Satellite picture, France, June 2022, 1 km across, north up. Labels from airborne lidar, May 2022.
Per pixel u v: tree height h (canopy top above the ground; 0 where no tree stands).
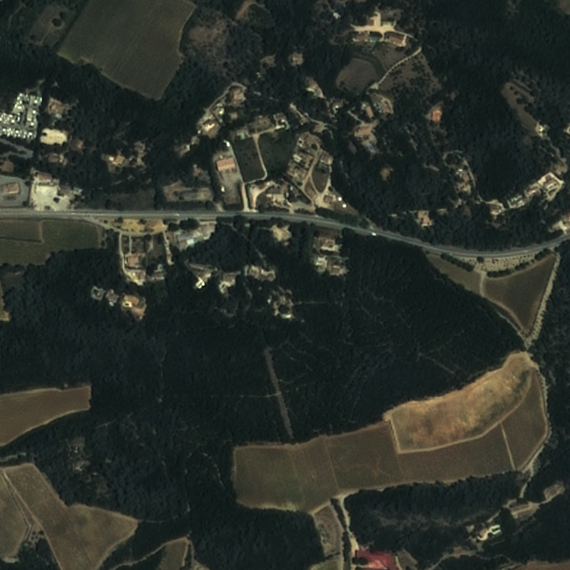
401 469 0
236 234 10
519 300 0
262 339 8
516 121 18
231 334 13
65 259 19
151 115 15
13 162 8
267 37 12
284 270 10
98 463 10
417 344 10
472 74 10
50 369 6
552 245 0
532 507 0
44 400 0
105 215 0
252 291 6
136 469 10
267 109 12
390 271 11
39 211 0
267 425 11
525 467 0
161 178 20
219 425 14
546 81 16
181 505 20
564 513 10
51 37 0
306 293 9
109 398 15
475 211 13
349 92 5
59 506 0
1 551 0
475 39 17
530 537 10
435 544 15
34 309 18
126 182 8
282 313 10
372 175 11
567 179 11
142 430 18
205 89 16
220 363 11
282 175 12
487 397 0
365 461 0
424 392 8
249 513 16
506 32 7
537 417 0
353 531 10
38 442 6
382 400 12
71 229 0
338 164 7
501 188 8
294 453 0
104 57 0
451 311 15
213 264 10
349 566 0
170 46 0
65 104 13
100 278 10
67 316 21
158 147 13
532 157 18
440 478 0
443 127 10
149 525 10
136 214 0
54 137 0
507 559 16
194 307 16
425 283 13
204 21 14
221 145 15
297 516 22
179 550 0
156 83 0
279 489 0
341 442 0
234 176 0
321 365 13
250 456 0
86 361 9
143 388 16
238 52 18
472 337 10
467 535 7
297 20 14
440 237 21
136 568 9
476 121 9
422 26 14
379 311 10
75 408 0
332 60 15
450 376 7
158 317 9
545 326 9
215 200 10
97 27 0
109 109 18
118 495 20
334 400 10
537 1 8
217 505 17
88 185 12
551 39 9
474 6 7
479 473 0
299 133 22
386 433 0
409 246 13
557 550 11
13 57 19
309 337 8
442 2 7
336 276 12
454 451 0
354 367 7
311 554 8
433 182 21
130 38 0
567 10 0
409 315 11
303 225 8
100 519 0
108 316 16
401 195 9
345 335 14
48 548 7
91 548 0
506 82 10
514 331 13
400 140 12
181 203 12
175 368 10
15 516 0
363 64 0
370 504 10
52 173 23
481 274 0
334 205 0
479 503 8
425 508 12
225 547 8
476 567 13
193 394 15
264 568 10
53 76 15
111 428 6
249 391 13
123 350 12
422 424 0
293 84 18
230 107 7
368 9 17
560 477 7
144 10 0
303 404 11
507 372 0
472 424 0
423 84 6
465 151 17
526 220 9
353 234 14
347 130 12
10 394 0
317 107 18
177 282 9
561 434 12
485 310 14
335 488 0
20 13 6
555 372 10
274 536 16
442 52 11
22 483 0
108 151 13
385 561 0
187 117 9
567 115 14
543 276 0
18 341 10
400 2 9
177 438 9
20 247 0
